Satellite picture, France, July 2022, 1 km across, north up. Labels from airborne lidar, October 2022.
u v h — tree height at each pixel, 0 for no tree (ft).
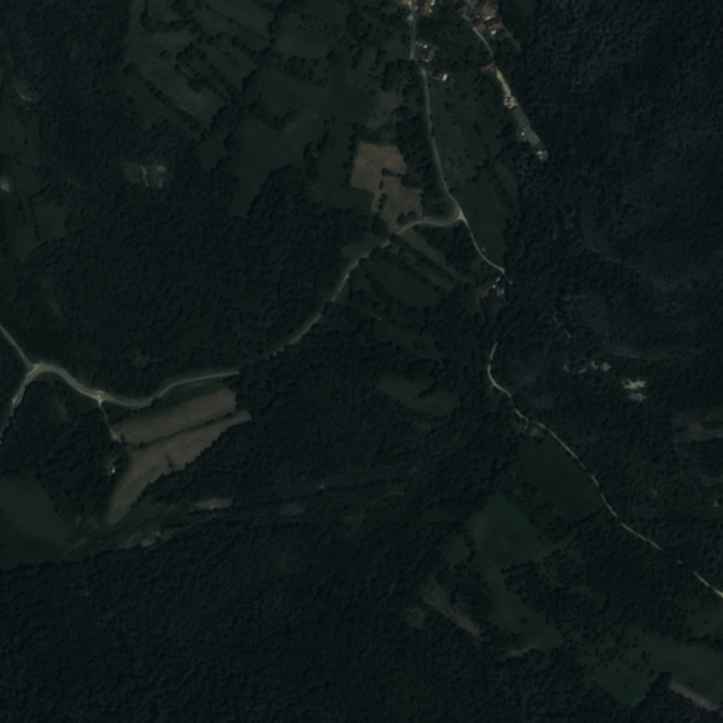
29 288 38
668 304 24
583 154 51
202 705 67
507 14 45
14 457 56
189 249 24
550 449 0
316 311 46
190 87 36
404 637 52
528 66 68
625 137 24
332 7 0
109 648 60
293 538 27
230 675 43
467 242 53
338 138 0
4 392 27
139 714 51
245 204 0
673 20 61
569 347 20
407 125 35
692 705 81
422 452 29
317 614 60
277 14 54
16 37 26
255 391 63
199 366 29
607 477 43
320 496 30
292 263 36
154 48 0
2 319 24
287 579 28
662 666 0
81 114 37
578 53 26
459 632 21
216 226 37
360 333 46
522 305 50
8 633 48
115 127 34
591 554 31
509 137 40
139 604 28
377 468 47
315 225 23
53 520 0
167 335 44
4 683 80
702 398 46
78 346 27
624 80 54
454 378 52
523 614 0
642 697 0
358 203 0
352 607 57
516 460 44
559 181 97
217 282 25
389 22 36
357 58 23
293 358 21
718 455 31
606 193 56
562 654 22
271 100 0
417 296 0
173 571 38
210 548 55
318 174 35
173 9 24
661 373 32
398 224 31
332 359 56
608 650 21
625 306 35
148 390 42
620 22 52
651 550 61
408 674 78
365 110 0
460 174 0
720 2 71
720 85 46
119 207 47
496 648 51
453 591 36
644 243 26
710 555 60
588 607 34
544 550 0
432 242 52
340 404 33
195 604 24
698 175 22
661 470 19
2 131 0
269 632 48
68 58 38
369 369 60
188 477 44
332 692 71
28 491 0
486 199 0
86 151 36
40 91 20
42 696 77
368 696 78
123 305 41
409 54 0
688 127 20
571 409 43
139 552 27
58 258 31
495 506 0
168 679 57
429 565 57
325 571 54
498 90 24
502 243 0
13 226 0
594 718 73
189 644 49
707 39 48
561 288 38
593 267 53
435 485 63
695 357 28
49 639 84
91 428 61
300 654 60
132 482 0
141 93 0
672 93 44
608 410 22
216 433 0
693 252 29
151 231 39
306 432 33
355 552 45
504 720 78
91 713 107
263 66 47
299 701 63
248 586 22
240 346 57
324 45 0
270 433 50
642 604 49
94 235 31
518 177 45
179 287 37
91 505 50
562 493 0
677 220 21
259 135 0
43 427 42
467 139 0
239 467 25
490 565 0
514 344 61
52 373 0
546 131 49
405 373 20
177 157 31
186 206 29
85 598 64
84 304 26
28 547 0
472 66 21
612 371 29
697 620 0
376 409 31
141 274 24
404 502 25
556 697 66
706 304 34
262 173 0
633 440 37
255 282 48
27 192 0
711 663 0
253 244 39
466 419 28
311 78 20
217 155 0
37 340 27
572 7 69
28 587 73
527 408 48
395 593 36
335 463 43
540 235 43
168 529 26
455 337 25
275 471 31
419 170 31
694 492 30
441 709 63
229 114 44
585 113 96
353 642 77
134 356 42
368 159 0
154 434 0
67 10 26
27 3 19
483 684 47
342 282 0
